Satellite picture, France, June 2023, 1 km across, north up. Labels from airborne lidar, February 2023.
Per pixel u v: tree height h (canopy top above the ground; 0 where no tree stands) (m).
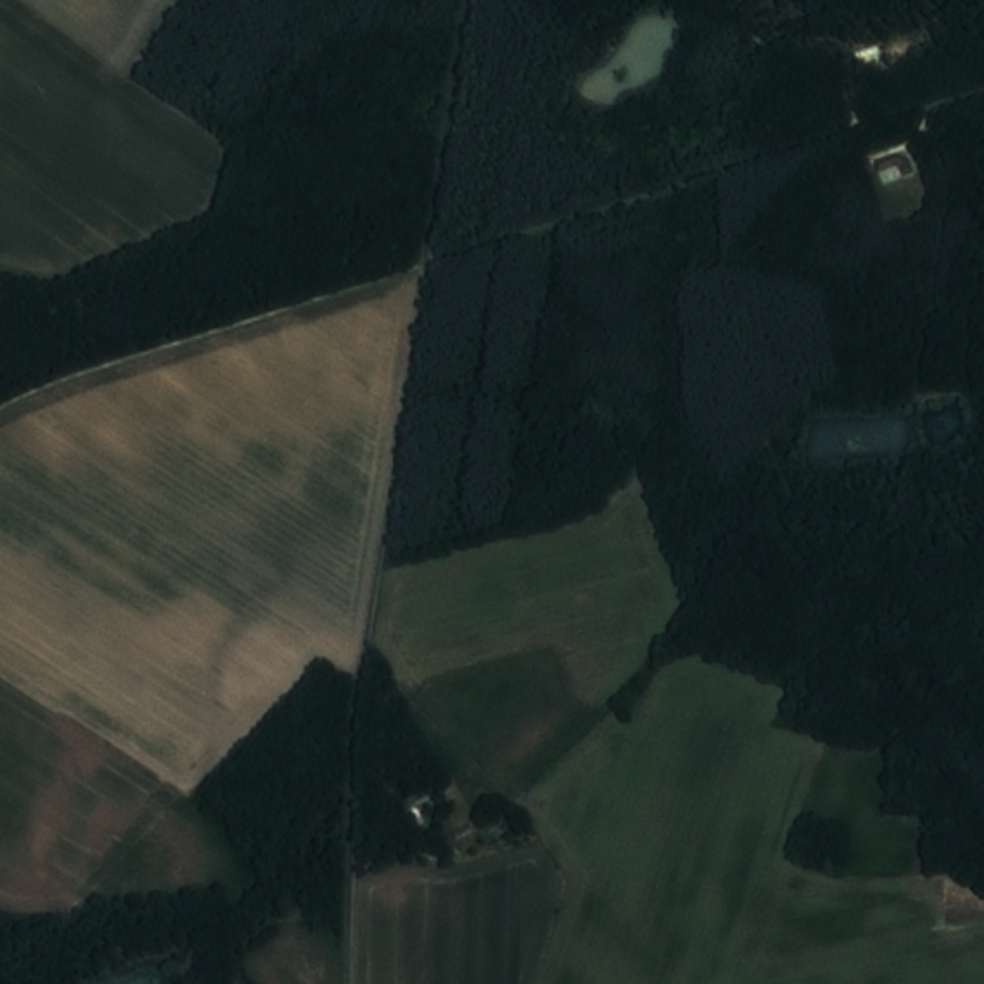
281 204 22
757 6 20
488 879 0
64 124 0
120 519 0
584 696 0
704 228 9
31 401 0
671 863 0
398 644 0
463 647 0
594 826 0
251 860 7
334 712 17
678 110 18
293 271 24
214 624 0
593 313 17
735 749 0
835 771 0
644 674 6
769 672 18
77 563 0
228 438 0
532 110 16
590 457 20
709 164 23
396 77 17
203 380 0
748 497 17
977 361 20
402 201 20
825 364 29
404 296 0
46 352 22
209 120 10
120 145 0
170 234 16
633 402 18
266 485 0
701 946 0
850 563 23
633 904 0
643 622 0
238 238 23
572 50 22
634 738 0
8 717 0
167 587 0
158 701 0
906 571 22
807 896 0
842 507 28
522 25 22
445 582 0
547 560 0
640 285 16
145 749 0
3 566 0
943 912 0
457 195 18
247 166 24
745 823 0
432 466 27
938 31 21
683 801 0
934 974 0
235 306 20
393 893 0
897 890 0
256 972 0
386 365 0
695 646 22
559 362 16
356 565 0
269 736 16
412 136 15
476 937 0
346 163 22
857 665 24
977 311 21
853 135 17
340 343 0
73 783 0
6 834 0
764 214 21
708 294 27
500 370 27
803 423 6
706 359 26
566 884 0
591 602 0
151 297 24
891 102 19
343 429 0
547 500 18
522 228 19
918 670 21
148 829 0
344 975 0
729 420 27
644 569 0
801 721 15
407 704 15
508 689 0
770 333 27
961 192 14
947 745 25
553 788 0
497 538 19
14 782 0
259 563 0
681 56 16
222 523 0
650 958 0
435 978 0
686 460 21
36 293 23
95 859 0
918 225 16
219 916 18
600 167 19
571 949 0
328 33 24
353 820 14
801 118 22
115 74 0
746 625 24
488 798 15
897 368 18
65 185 0
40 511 0
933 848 21
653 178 17
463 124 20
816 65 23
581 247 23
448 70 17
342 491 0
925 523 20
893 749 18
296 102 27
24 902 0
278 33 26
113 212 0
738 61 23
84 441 0
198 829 0
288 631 0
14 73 0
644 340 18
